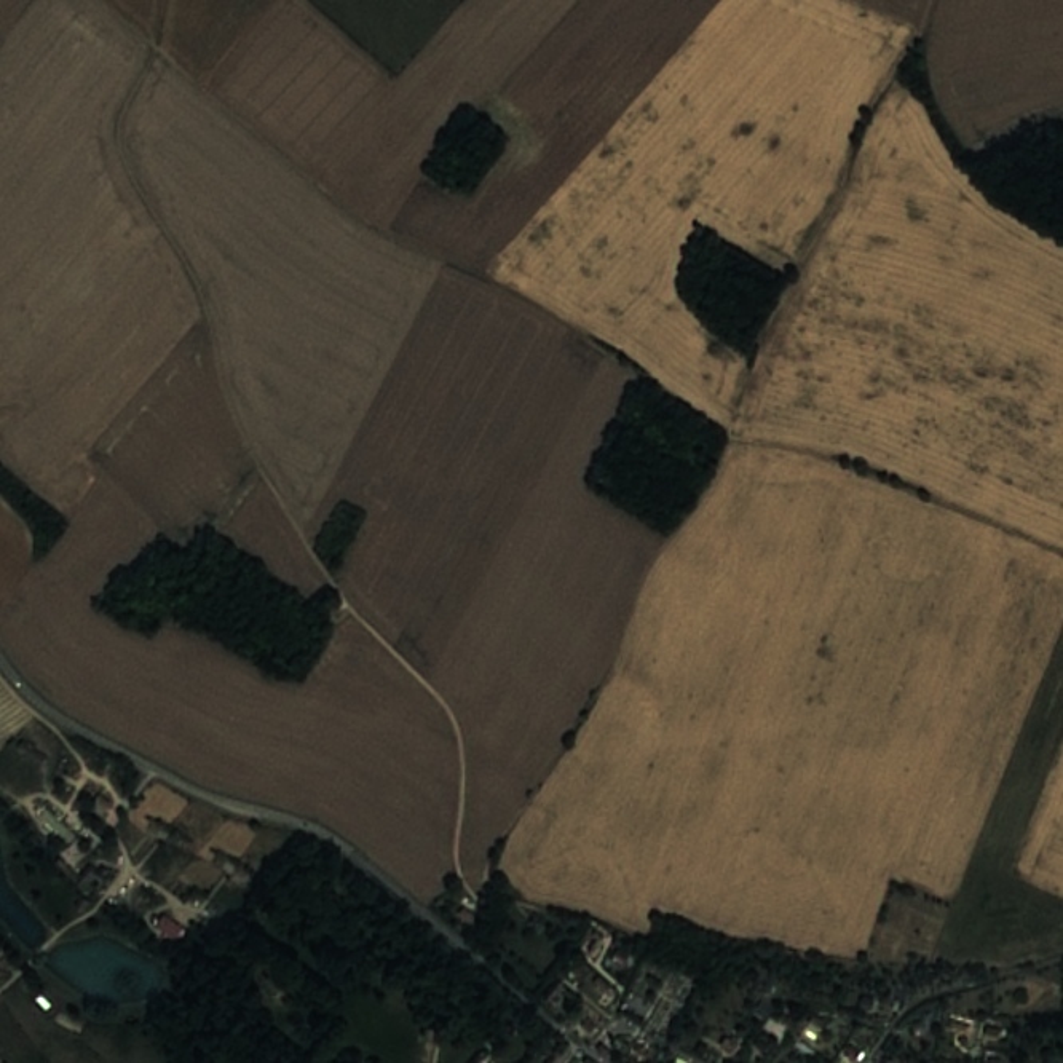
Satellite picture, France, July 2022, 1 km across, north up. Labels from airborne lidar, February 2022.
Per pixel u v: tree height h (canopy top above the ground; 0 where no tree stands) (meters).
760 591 0
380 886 17
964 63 0
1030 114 0
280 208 0
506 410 0
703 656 0
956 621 0
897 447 0
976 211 0
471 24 0
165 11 0
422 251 0
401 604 0
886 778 0
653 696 0
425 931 19
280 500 0
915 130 0
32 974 18
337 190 0
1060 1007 0
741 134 0
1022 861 0
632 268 0
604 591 0
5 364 0
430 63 0
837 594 0
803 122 0
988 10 0
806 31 0
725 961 13
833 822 0
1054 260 0
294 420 0
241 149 0
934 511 0
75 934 0
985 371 0
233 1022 22
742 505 0
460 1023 24
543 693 0
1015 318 0
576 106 0
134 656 0
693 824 0
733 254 13
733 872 0
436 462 0
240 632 12
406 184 0
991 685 0
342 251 0
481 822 0
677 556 0
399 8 0
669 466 20
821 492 0
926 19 0
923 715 0
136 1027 8
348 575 0
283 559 0
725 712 0
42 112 0
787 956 13
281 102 0
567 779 0
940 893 0
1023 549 0
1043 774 0
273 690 0
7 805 11
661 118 0
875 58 0
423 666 0
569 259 0
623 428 16
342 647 0
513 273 0
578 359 0
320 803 0
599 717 0
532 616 0
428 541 0
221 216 0
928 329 0
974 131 0
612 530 0
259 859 0
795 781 0
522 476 0
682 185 0
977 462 0
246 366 0
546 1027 14
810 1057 7
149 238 0
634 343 0
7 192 0
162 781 0
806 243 0
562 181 0
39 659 0
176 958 16
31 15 0
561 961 6
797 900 0
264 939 28
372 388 0
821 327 0
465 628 0
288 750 0
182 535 0
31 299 0
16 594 0
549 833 0
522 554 0
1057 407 0
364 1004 0
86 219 0
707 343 0
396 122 0
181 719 0
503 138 14
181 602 13
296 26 0
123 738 0
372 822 0
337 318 0
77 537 0
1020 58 0
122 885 0
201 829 0
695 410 17
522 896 0
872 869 0
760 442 0
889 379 0
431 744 0
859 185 0
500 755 0
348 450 0
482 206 0
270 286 0
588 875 0
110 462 0
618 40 0
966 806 0
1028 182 22
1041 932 0
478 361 0
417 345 0
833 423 0
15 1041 0
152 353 0
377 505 0
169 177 0
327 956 29
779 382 0
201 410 0
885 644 0
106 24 0
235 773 0
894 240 0
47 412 0
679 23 0
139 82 0
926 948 0
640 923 0
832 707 0
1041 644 0
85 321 0
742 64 0
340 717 0
